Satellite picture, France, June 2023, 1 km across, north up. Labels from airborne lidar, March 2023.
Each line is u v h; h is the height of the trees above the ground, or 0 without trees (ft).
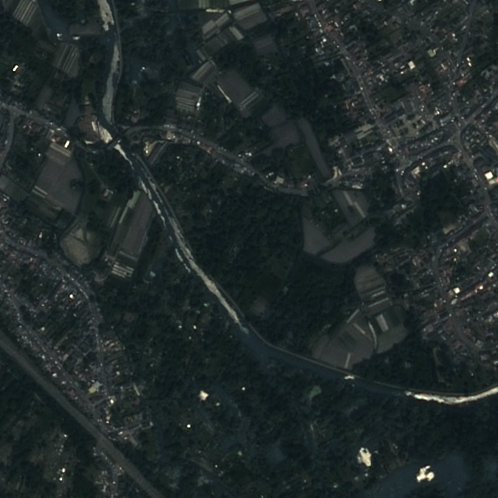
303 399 26
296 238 34
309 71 42
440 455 45
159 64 36
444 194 62
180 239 0
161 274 46
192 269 0
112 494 0
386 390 0
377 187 24
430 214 63
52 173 0
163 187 0
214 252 30
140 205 0
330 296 35
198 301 31
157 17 31
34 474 55
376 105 0
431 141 0
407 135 0
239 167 0
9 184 0
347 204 0
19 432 0
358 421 26
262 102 0
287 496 23
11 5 0
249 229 47
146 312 38
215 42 0
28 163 54
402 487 0
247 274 51
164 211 0
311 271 27
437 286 0
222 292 0
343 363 0
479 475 22
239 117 35
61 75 17
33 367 0
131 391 29
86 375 0
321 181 0
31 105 24
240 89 0
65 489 0
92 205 0
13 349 0
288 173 55
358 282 0
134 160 0
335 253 0
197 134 0
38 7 0
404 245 0
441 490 29
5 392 26
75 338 27
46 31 0
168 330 31
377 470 22
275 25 59
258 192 47
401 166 0
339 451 33
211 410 21
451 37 0
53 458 0
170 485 0
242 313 0
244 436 0
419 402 36
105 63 43
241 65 68
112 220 0
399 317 0
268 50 0
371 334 0
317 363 0
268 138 22
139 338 35
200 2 0
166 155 35
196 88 0
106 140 0
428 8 0
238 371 21
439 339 0
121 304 27
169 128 0
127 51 50
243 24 0
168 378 25
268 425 36
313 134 0
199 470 22
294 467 26
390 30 0
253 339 0
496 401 43
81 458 26
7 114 39
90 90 0
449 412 28
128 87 19
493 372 25
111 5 0
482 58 23
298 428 59
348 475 0
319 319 39
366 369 74
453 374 69
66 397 32
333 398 24
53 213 0
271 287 0
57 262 0
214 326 24
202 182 52
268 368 0
